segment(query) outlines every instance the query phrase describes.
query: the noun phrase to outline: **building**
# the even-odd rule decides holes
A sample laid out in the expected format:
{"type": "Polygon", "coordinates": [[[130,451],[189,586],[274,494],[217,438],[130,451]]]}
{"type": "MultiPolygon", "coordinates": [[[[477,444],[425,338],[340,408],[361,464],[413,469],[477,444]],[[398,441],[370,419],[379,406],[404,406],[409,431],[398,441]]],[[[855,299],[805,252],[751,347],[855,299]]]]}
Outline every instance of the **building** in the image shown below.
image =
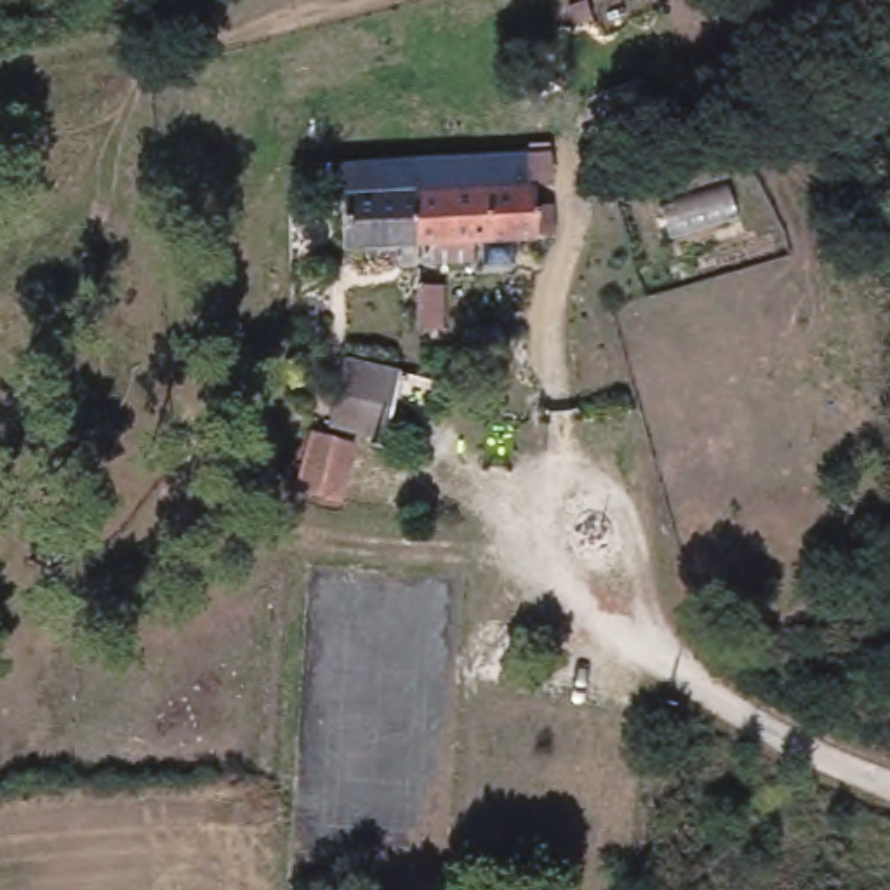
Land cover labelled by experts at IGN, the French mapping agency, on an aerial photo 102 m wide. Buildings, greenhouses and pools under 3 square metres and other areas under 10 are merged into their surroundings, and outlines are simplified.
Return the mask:
{"type": "Polygon", "coordinates": [[[369,442],[379,421],[393,421],[400,400],[417,403],[424,400],[431,379],[396,372],[382,362],[344,355],[341,369],[351,389],[344,400],[316,400],[316,414],[330,428],[351,431],[355,442],[369,442]]]}
{"type": "Polygon", "coordinates": [[[452,309],[473,289],[473,275],[511,271],[535,282],[546,268],[546,254],[556,247],[560,226],[556,195],[549,188],[556,181],[556,139],[539,139],[521,153],[348,160],[337,181],[341,205],[348,209],[341,223],[341,264],[358,271],[396,268],[396,282],[400,296],[417,302],[417,323],[428,337],[438,337],[452,330],[452,309]]]}

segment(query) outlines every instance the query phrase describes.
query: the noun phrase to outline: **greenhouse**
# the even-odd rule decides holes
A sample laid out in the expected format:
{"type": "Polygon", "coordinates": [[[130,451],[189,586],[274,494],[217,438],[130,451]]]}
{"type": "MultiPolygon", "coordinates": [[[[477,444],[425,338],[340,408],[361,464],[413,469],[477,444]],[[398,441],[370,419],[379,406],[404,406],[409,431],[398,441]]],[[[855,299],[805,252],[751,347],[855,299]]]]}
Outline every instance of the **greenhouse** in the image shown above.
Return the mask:
{"type": "Polygon", "coordinates": [[[657,226],[671,236],[734,240],[741,236],[744,223],[737,205],[727,198],[734,181],[706,181],[699,174],[699,184],[681,191],[668,205],[657,226]]]}

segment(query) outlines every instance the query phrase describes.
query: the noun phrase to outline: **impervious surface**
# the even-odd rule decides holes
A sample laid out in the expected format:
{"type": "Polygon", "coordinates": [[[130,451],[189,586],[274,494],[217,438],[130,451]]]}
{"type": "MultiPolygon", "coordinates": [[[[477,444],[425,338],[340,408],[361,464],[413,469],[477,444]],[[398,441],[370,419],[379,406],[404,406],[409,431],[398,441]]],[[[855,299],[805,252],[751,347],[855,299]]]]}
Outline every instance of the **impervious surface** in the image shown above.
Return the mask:
{"type": "Polygon", "coordinates": [[[469,647],[469,640],[459,636],[459,577],[393,581],[330,570],[320,581],[320,594],[313,601],[306,598],[299,789],[292,789],[296,810],[313,810],[316,831],[323,838],[351,831],[362,820],[375,820],[386,845],[393,845],[396,852],[414,848],[407,841],[407,831],[421,814],[421,796],[438,786],[438,747],[448,730],[448,699],[455,681],[455,654],[469,647]]]}

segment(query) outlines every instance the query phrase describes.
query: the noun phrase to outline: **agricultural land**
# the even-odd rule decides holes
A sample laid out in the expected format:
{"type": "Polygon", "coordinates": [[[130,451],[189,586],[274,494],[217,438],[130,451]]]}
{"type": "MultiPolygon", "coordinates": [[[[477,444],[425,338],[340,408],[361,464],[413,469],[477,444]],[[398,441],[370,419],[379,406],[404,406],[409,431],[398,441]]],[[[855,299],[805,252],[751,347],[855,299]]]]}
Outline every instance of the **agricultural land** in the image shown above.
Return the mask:
{"type": "Polygon", "coordinates": [[[97,796],[90,789],[66,789],[59,796],[0,800],[0,890],[289,890],[296,862],[306,862],[313,845],[323,838],[316,831],[313,810],[296,810],[292,789],[278,779],[268,786],[261,779],[247,779],[236,786],[146,786],[139,793],[111,796],[97,796]]]}

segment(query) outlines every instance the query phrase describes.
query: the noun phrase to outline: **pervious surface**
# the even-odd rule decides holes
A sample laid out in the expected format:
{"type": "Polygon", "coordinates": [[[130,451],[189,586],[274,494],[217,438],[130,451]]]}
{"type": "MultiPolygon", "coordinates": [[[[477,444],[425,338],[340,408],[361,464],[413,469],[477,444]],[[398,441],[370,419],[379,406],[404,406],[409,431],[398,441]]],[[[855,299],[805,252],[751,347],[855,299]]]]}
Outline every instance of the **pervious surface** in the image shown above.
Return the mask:
{"type": "Polygon", "coordinates": [[[469,640],[469,647],[455,654],[455,681],[494,681],[501,674],[501,657],[508,650],[508,629],[501,622],[483,622],[469,640]]]}
{"type": "Polygon", "coordinates": [[[754,17],[765,28],[789,24],[814,3],[855,7],[855,0],[768,0],[761,10],[754,10],[754,17]]]}
{"type": "Polygon", "coordinates": [[[285,35],[302,24],[372,10],[396,0],[236,0],[226,7],[229,24],[219,31],[223,45],[285,35]]]}
{"type": "Polygon", "coordinates": [[[341,264],[341,268],[337,282],[309,302],[330,309],[337,337],[348,334],[348,289],[396,282],[396,268],[358,271],[341,264]]]}
{"type": "Polygon", "coordinates": [[[567,647],[563,668],[549,681],[553,688],[574,688],[574,706],[605,699],[626,709],[633,702],[643,713],[668,713],[678,723],[695,720],[702,706],[734,727],[744,727],[751,720],[761,727],[765,747],[779,747],[789,758],[814,758],[817,772],[845,786],[890,803],[890,768],[862,761],[859,754],[834,747],[831,741],[814,744],[807,734],[789,730],[789,716],[720,685],[692,657],[688,647],[678,643],[668,619],[657,605],[657,581],[640,511],[615,476],[601,473],[577,448],[574,410],[553,414],[549,448],[542,455],[521,455],[511,469],[480,466],[480,455],[466,448],[466,442],[452,428],[431,428],[431,438],[435,455],[428,459],[424,473],[431,476],[442,497],[483,518],[483,528],[490,532],[487,549],[497,560],[497,570],[525,584],[525,591],[535,598],[521,605],[511,615],[511,622],[515,629],[546,629],[567,647]]]}
{"type": "Polygon", "coordinates": [[[515,358],[539,372],[546,393],[570,393],[563,369],[563,316],[567,292],[591,226],[588,198],[577,195],[577,149],[556,139],[556,181],[549,188],[556,195],[560,226],[556,247],[546,254],[546,268],[535,282],[532,302],[525,306],[528,334],[515,344],[515,358]]]}

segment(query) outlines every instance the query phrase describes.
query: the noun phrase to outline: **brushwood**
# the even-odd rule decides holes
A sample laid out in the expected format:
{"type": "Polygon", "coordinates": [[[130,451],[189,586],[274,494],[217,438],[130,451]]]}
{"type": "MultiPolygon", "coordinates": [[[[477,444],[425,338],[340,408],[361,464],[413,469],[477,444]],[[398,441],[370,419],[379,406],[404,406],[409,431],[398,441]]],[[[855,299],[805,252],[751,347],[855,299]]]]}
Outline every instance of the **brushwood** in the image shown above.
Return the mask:
{"type": "Polygon", "coordinates": [[[827,497],[831,511],[803,535],[803,546],[807,553],[859,553],[876,542],[880,532],[890,532],[890,334],[883,337],[880,355],[887,389],[880,396],[880,407],[866,421],[880,428],[887,442],[876,452],[859,455],[834,476],[820,476],[817,487],[827,497]]]}
{"type": "Polygon", "coordinates": [[[139,793],[146,786],[236,786],[247,779],[261,779],[268,786],[278,779],[278,772],[264,772],[257,768],[257,761],[229,751],[188,758],[177,765],[174,775],[163,775],[160,782],[156,775],[97,775],[76,786],[73,779],[52,772],[24,772],[10,782],[0,782],[0,800],[59,796],[66,789],[90,789],[97,796],[111,796],[139,793]]]}
{"type": "Polygon", "coordinates": [[[261,414],[278,403],[289,410],[299,442],[306,435],[355,442],[351,431],[330,428],[316,414],[316,400],[344,400],[351,389],[341,369],[344,355],[337,351],[337,337],[330,309],[309,302],[292,302],[296,323],[292,334],[278,344],[278,358],[257,362],[243,348],[240,351],[226,382],[202,389],[205,410],[223,424],[261,424],[261,414]]]}
{"type": "Polygon", "coordinates": [[[890,629],[876,629],[862,619],[831,622],[817,636],[775,636],[761,626],[751,633],[713,633],[702,622],[695,601],[685,594],[685,601],[668,619],[678,643],[688,647],[692,657],[720,685],[789,716],[789,730],[807,734],[814,744],[831,741],[834,747],[859,754],[862,761],[890,768],[890,629]]]}
{"type": "Polygon", "coordinates": [[[890,817],[852,810],[831,814],[831,796],[845,786],[817,772],[814,758],[789,758],[779,747],[765,747],[761,727],[751,720],[744,727],[734,727],[702,706],[695,720],[678,723],[688,741],[688,761],[709,758],[699,768],[706,796],[730,803],[730,814],[716,814],[699,824],[699,838],[706,845],[741,845],[747,855],[758,859],[758,866],[772,866],[782,855],[782,841],[803,848],[814,845],[820,834],[834,831],[862,852],[873,880],[890,876],[890,817]]]}
{"type": "Polygon", "coordinates": [[[309,302],[337,282],[341,268],[313,261],[309,254],[296,257],[289,278],[309,302]]]}
{"type": "Polygon", "coordinates": [[[396,508],[400,532],[407,539],[431,539],[438,521],[431,518],[431,511],[424,504],[407,504],[396,508]]]}
{"type": "Polygon", "coordinates": [[[574,410],[605,400],[633,407],[640,396],[626,382],[570,393],[546,393],[539,400],[539,410],[553,414],[574,410]]]}

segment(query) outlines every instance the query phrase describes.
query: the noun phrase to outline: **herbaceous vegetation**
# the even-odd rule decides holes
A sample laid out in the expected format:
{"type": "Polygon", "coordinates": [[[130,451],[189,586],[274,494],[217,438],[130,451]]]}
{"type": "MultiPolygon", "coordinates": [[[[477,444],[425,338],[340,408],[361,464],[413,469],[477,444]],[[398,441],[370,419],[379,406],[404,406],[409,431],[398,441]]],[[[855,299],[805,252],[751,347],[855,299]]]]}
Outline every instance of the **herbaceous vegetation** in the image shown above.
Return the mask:
{"type": "Polygon", "coordinates": [[[452,866],[480,866],[483,845],[490,838],[504,838],[515,827],[539,827],[560,848],[574,852],[584,862],[581,890],[890,890],[890,876],[873,880],[862,852],[834,831],[820,834],[814,845],[803,848],[782,841],[782,855],[772,866],[758,866],[758,859],[747,855],[741,845],[706,845],[699,838],[699,824],[716,814],[730,814],[730,803],[706,796],[699,768],[709,758],[688,761],[671,782],[633,775],[622,758],[626,709],[605,699],[574,706],[574,688],[553,688],[549,681],[542,688],[501,688],[494,681],[455,681],[448,699],[448,730],[438,747],[438,786],[421,796],[421,814],[407,831],[407,841],[414,848],[396,852],[393,845],[386,845],[375,820],[362,820],[351,831],[323,838],[313,845],[306,862],[296,862],[289,890],[448,890],[452,866]]]}
{"type": "Polygon", "coordinates": [[[504,410],[494,414],[494,421],[487,424],[455,421],[452,428],[466,442],[466,448],[480,455],[480,466],[511,469],[521,455],[542,455],[549,448],[553,414],[539,410],[539,400],[546,393],[539,372],[515,358],[504,410]]]}
{"type": "Polygon", "coordinates": [[[890,803],[845,786],[831,796],[831,814],[852,810],[890,817],[890,803]]]}
{"type": "Polygon", "coordinates": [[[442,348],[452,355],[466,355],[487,344],[515,344],[528,334],[525,306],[532,302],[535,282],[511,271],[473,275],[473,289],[452,309],[452,330],[438,337],[442,348]]]}
{"type": "Polygon", "coordinates": [[[428,337],[417,323],[417,302],[400,296],[396,282],[348,289],[348,334],[355,344],[403,348],[407,358],[417,358],[421,341],[428,337]]]}
{"type": "Polygon", "coordinates": [[[156,775],[160,782],[163,775],[174,775],[177,765],[188,758],[229,751],[257,761],[257,768],[264,772],[278,772],[278,779],[292,789],[299,789],[306,598],[313,601],[320,594],[320,581],[330,570],[393,581],[459,577],[459,636],[469,640],[483,622],[501,622],[508,629],[511,622],[511,615],[521,605],[535,598],[525,591],[525,584],[497,570],[497,560],[487,549],[490,532],[483,528],[483,518],[442,497],[431,476],[424,473],[403,476],[403,469],[386,466],[379,459],[375,442],[382,442],[386,431],[403,424],[431,438],[431,428],[424,407],[417,403],[400,400],[393,421],[379,421],[369,442],[355,442],[306,435],[299,442],[289,410],[278,403],[261,414],[261,424],[271,442],[271,459],[247,462],[233,476],[233,483],[285,501],[289,511],[302,515],[299,528],[275,556],[254,553],[250,574],[233,588],[209,584],[209,601],[198,615],[184,619],[181,626],[149,626],[143,619],[139,581],[149,570],[149,560],[156,560],[156,549],[163,542],[181,539],[198,525],[198,518],[205,518],[205,504],[198,497],[188,497],[191,480],[184,480],[184,469],[174,466],[167,414],[174,410],[181,414],[181,421],[191,421],[205,410],[202,389],[184,375],[184,369],[191,358],[198,358],[202,341],[229,337],[240,351],[243,348],[257,362],[278,358],[278,344],[292,334],[296,323],[292,302],[309,302],[289,278],[296,257],[309,254],[313,261],[341,268],[341,264],[341,223],[348,209],[341,205],[330,212],[323,229],[302,229],[289,209],[292,174],[302,181],[337,181],[348,160],[521,153],[539,139],[556,139],[577,149],[584,122],[591,122],[594,83],[601,90],[619,94],[636,90],[654,104],[674,94],[674,80],[681,76],[681,70],[709,66],[734,52],[734,24],[706,21],[685,0],[396,0],[372,10],[302,24],[285,35],[223,45],[219,59],[205,63],[205,70],[195,76],[195,87],[167,87],[163,94],[146,94],[139,80],[122,70],[115,49],[118,28],[70,35],[63,42],[35,45],[31,56],[0,63],[0,149],[24,146],[28,153],[45,153],[45,167],[52,174],[52,202],[42,209],[35,229],[0,240],[0,448],[21,455],[24,414],[14,407],[14,400],[28,382],[38,379],[38,362],[45,355],[38,355],[28,341],[31,334],[42,337],[49,330],[56,302],[66,302],[76,292],[80,278],[90,278],[97,292],[115,289],[118,302],[104,309],[97,320],[97,348],[73,389],[76,421],[70,428],[73,445],[87,455],[87,469],[108,462],[111,483],[118,490],[118,508],[104,518],[111,546],[104,553],[90,553],[87,560],[49,556],[38,549],[38,542],[14,535],[10,528],[0,528],[0,782],[10,782],[24,772],[52,772],[73,779],[76,786],[97,775],[156,775]],[[542,70],[549,70],[556,83],[542,87],[525,101],[508,101],[494,73],[497,35],[511,42],[549,45],[542,70]],[[153,198],[143,191],[170,184],[191,191],[202,212],[223,219],[236,233],[236,247],[229,250],[233,282],[209,285],[198,302],[191,302],[188,296],[170,299],[146,254],[146,243],[160,236],[160,223],[153,216],[153,198]],[[407,539],[400,532],[396,508],[407,504],[424,504],[431,511],[431,518],[438,521],[431,539],[407,539]],[[83,598],[115,626],[139,626],[136,643],[146,650],[143,664],[104,664],[87,647],[52,643],[45,629],[35,629],[28,619],[17,622],[17,615],[7,605],[10,591],[14,584],[24,588],[35,581],[83,598]]]}
{"type": "Polygon", "coordinates": [[[626,382],[640,396],[633,407],[605,400],[574,410],[577,448],[601,473],[615,476],[640,511],[657,581],[657,605],[668,619],[685,601],[685,594],[720,581],[737,598],[754,601],[761,626],[775,636],[817,636],[831,622],[803,612],[807,598],[796,588],[796,560],[803,546],[803,535],[831,511],[827,497],[817,487],[820,476],[834,476],[859,455],[876,452],[887,442],[880,428],[866,421],[880,407],[880,396],[887,389],[880,355],[883,337],[890,334],[890,292],[880,285],[876,275],[848,282],[817,257],[817,240],[810,233],[807,216],[807,167],[734,181],[727,198],[737,205],[744,223],[741,236],[734,240],[671,236],[657,226],[668,205],[588,198],[591,226],[567,292],[563,316],[563,369],[570,393],[626,382]]]}

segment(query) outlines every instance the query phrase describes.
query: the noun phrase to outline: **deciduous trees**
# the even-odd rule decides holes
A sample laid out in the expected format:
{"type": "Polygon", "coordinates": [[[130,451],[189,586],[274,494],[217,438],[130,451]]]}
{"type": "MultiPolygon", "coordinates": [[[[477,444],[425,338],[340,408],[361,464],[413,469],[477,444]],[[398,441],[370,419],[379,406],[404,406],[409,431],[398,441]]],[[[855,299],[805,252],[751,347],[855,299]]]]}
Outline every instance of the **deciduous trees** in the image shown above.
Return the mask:
{"type": "Polygon", "coordinates": [[[876,629],[890,629],[890,532],[880,532],[876,542],[859,553],[807,553],[803,546],[796,560],[796,588],[807,598],[803,612],[831,622],[862,619],[876,629]]]}
{"type": "Polygon", "coordinates": [[[674,80],[674,94],[654,104],[636,90],[619,94],[601,90],[594,83],[591,122],[584,122],[577,149],[577,195],[588,198],[668,205],[681,191],[699,184],[699,174],[706,181],[734,181],[807,167],[807,216],[810,233],[817,240],[817,257],[848,282],[876,275],[880,285],[890,292],[890,0],[855,0],[855,7],[814,3],[789,24],[765,28],[754,17],[754,10],[761,10],[768,0],[685,0],[706,21],[734,24],[734,52],[709,66],[681,70],[681,76],[674,80]]]}
{"type": "Polygon", "coordinates": [[[622,758],[633,775],[671,782],[688,761],[688,741],[678,723],[668,713],[643,713],[633,702],[626,709],[622,758]]]}
{"type": "Polygon", "coordinates": [[[480,866],[452,866],[448,890],[581,890],[584,862],[574,852],[560,848],[539,827],[515,827],[504,838],[490,838],[483,845],[480,866]]]}
{"type": "Polygon", "coordinates": [[[417,358],[407,358],[403,348],[355,344],[348,334],[337,337],[337,351],[344,355],[382,362],[396,372],[431,379],[424,400],[417,403],[424,407],[431,428],[452,428],[455,421],[487,424],[494,421],[494,414],[504,410],[515,358],[515,344],[487,344],[466,355],[452,355],[442,348],[438,337],[428,337],[421,341],[417,358]]]}
{"type": "Polygon", "coordinates": [[[563,668],[567,647],[546,629],[515,629],[511,622],[508,629],[508,650],[501,657],[501,674],[494,681],[501,688],[542,688],[549,681],[563,668]]]}
{"type": "Polygon", "coordinates": [[[497,35],[494,73],[508,101],[525,101],[542,87],[556,83],[549,70],[542,70],[549,45],[511,42],[497,35]]]}
{"type": "Polygon", "coordinates": [[[198,358],[191,358],[184,369],[184,375],[202,389],[226,382],[240,351],[229,337],[202,341],[198,358]]]}
{"type": "Polygon", "coordinates": [[[24,414],[21,455],[0,448],[0,528],[10,528],[14,535],[38,542],[38,549],[49,556],[87,560],[90,553],[104,553],[111,546],[104,518],[118,508],[118,490],[111,483],[108,462],[87,469],[87,455],[73,445],[70,428],[76,421],[73,389],[97,348],[97,320],[104,309],[118,302],[115,289],[97,292],[90,278],[80,278],[76,292],[66,302],[56,302],[49,330],[42,337],[31,334],[28,341],[38,355],[45,355],[38,362],[38,379],[28,382],[14,400],[14,407],[24,414]]]}
{"type": "Polygon", "coordinates": [[[223,424],[205,410],[191,421],[181,421],[181,414],[174,410],[167,414],[174,466],[184,469],[184,480],[191,480],[188,497],[198,497],[205,504],[205,518],[198,518],[198,525],[181,539],[163,542],[156,549],[156,560],[149,560],[149,570],[139,581],[143,619],[149,626],[181,626],[184,619],[198,615],[209,601],[209,584],[233,588],[250,574],[254,553],[275,556],[299,528],[302,515],[289,511],[285,501],[233,483],[233,476],[247,462],[271,459],[271,442],[261,424],[223,424]]]}
{"type": "Polygon", "coordinates": [[[115,49],[122,70],[139,80],[146,94],[163,94],[167,87],[195,87],[195,76],[205,70],[205,63],[219,59],[223,45],[219,31],[229,24],[226,7],[236,0],[0,0],[0,63],[31,56],[35,45],[63,42],[70,35],[118,28],[115,49]]]}
{"type": "Polygon", "coordinates": [[[14,584],[10,591],[7,605],[17,615],[17,622],[28,619],[35,629],[45,629],[52,643],[87,647],[104,664],[143,664],[146,650],[136,643],[139,626],[115,626],[83,598],[35,581],[24,588],[14,584]]]}
{"type": "Polygon", "coordinates": [[[737,598],[720,581],[685,594],[695,601],[702,622],[713,633],[751,633],[761,626],[754,601],[737,598]]]}
{"type": "Polygon", "coordinates": [[[379,459],[386,466],[403,469],[403,476],[424,473],[428,459],[435,455],[431,438],[403,424],[386,431],[382,442],[375,442],[379,459]]]}
{"type": "Polygon", "coordinates": [[[188,296],[191,302],[198,302],[209,285],[233,282],[229,250],[236,247],[236,233],[223,219],[202,212],[191,191],[170,184],[143,191],[153,198],[153,216],[160,223],[160,236],[146,243],[146,254],[170,299],[188,296]]]}
{"type": "Polygon", "coordinates": [[[289,209],[302,229],[323,229],[330,212],[341,205],[337,181],[302,181],[292,174],[289,209]]]}
{"type": "Polygon", "coordinates": [[[52,202],[52,174],[45,167],[45,153],[28,153],[24,146],[0,149],[0,240],[35,229],[42,209],[52,202]]]}

